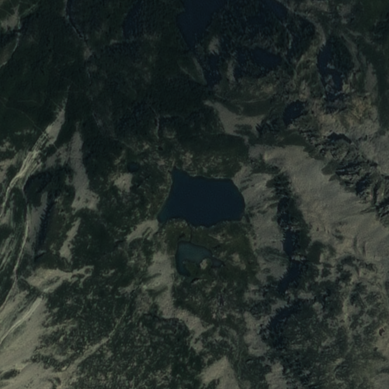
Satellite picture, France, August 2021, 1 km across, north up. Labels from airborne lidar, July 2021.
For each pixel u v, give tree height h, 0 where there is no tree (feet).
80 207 0
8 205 0
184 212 0
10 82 0
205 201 0
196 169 0
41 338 0
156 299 0
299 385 0
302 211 0
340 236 0
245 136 0
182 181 0
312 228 0
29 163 0
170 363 0
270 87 0
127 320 0
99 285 0
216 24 0
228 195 0
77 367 0
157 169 0
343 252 0
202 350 0
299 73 0
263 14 22
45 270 0
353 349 0
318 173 0
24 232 0
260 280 0
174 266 0
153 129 0
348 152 26
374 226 0
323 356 0
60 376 0
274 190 0
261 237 0
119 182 0
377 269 0
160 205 0
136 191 0
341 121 0
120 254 0
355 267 0
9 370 0
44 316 0
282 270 0
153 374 0
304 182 0
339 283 0
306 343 0
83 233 0
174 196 0
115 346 0
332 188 0
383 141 0
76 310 0
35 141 0
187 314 0
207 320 0
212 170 0
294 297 0
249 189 0
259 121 0
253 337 0
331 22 0
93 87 0
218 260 0
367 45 0
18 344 0
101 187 0
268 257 0
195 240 0
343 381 0
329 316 0
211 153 0
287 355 0
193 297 0
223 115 0
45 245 0
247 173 0
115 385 0
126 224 0
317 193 0
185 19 0
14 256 0
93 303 0
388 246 0
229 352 0
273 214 0
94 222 0
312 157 0
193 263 0
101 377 0
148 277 0
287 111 0
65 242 0
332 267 0
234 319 0
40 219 0
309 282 0
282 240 0
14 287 0
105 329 0
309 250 0
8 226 0
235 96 0
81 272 0
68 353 0
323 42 0
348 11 0
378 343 0
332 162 0
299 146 0
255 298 0
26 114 0
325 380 0
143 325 0
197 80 0
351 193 0
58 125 0
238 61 0
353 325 0
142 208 0
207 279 0
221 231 0
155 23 18
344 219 0
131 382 0
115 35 0
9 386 0
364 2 0
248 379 0
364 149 0
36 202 0
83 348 0
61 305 0
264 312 0
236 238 0
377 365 0
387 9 0
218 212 0
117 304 0
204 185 0
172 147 0
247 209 0
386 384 0
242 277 0
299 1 0
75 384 0
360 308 0
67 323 0
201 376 0
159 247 0
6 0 0
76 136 0
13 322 0
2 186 0
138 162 0
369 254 0
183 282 0
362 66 0
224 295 0
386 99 0
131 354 0
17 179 0
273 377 0
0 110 0
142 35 19
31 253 0
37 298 0
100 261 0
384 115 0
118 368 0
